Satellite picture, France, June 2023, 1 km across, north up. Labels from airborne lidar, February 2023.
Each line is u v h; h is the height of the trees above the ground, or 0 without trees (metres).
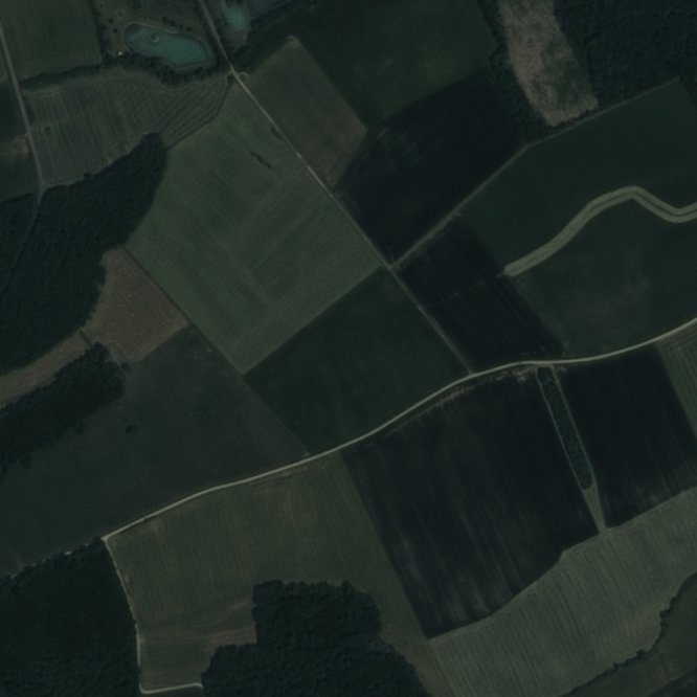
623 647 0
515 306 0
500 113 0
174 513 0
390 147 0
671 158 0
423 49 0
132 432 14
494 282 0
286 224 0
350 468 0
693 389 0
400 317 0
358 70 0
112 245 19
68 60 0
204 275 0
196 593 0
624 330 0
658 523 0
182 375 0
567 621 0
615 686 0
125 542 0
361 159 0
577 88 0
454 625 0
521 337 0
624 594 0
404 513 0
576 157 0
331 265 0
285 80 0
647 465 0
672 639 0
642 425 0
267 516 0
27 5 0
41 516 0
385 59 0
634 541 0
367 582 0
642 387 0
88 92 0
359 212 0
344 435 0
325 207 0
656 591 0
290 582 0
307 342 0
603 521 0
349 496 0
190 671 0
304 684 26
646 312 0
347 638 23
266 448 0
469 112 0
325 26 0
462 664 0
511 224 0
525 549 0
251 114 0
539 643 0
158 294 0
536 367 0
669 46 24
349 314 0
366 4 0
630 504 0
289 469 0
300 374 0
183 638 0
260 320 0
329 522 0
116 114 0
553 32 0
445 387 0
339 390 0
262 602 20
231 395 0
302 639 14
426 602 0
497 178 0
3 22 0
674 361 0
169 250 0
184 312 0
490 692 0
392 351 0
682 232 0
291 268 0
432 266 0
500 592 0
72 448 0
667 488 0
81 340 0
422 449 0
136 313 0
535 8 0
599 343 0
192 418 0
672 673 0
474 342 0
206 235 0
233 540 0
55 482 0
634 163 0
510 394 0
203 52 0
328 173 0
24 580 19
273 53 0
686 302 0
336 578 0
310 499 0
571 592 0
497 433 0
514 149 0
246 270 0
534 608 0
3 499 0
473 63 0
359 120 0
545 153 0
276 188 0
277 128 0
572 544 0
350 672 25
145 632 0
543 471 0
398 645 0
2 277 22
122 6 0
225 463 0
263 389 0
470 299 0
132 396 0
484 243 0
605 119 0
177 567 0
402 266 0
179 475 0
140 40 0
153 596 0
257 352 0
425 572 0
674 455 0
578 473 10
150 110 0
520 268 0
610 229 0
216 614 0
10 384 0
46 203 19
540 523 0
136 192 22
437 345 0
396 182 0
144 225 0
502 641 0
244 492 0
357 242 0
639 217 0
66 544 0
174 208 0
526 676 0
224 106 0
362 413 0
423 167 0
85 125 0
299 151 0
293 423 0
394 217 0
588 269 0
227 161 0
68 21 0
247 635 0
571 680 0
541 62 0
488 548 0
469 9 0
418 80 0
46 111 0
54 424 12
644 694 0
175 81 12
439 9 0
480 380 0
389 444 0
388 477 0
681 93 0
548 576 0
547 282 0
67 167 0
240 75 0
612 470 0
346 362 0
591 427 0
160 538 0
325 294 0
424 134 0
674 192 0
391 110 0
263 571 0
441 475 0
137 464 0
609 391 0
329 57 0
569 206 0
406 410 0
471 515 0
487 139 0
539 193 0
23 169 0
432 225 0
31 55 0
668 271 0
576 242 0
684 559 0
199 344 0
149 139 15
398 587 0
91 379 12
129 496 0
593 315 0
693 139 0
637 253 0
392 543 0
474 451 0
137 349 0
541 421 0
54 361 0
